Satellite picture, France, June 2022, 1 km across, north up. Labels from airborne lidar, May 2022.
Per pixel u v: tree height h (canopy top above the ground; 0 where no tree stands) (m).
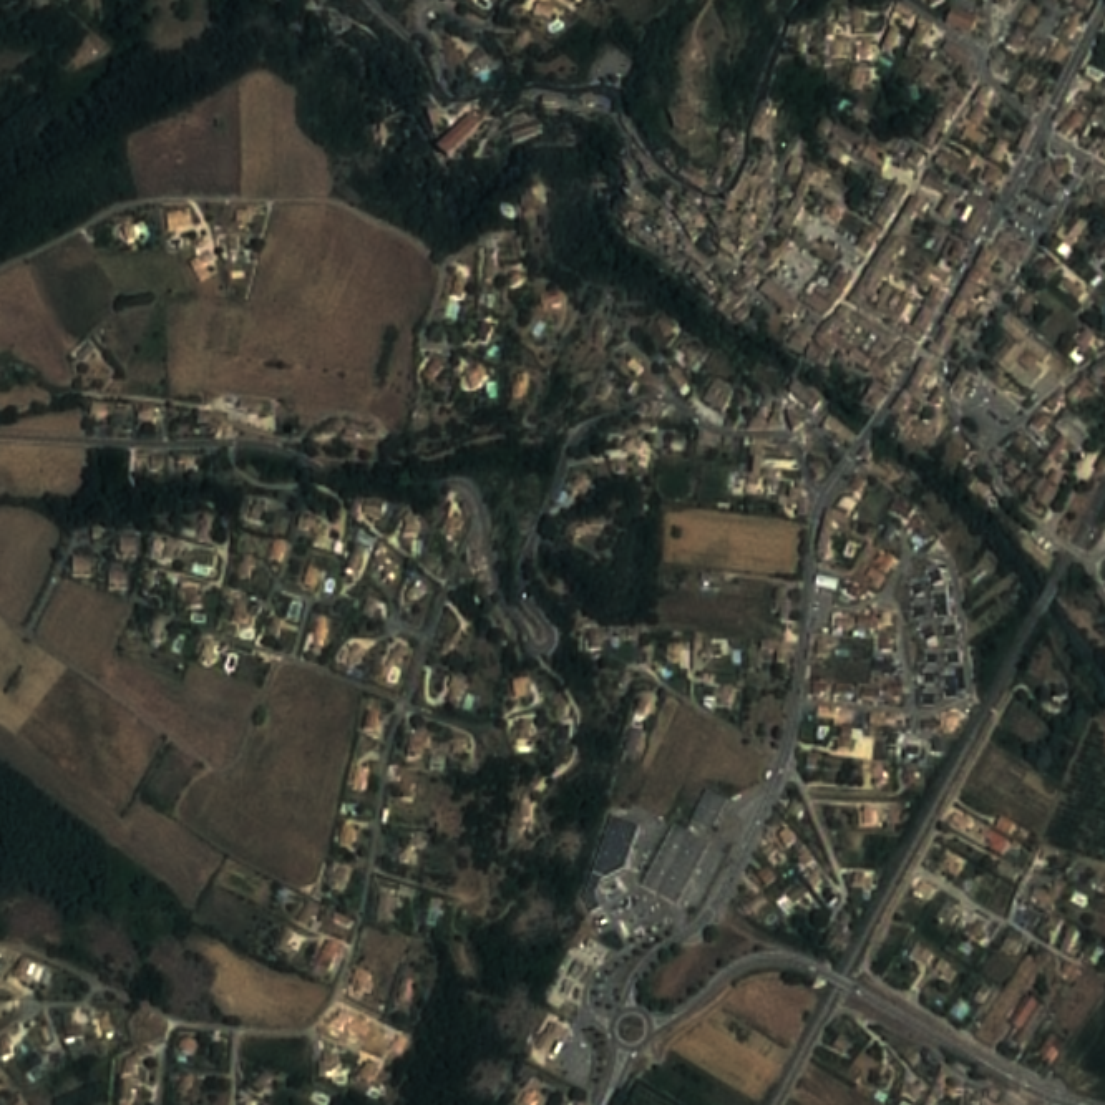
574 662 18
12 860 21
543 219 9
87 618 0
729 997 0
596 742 13
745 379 7
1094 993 0
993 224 0
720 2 8
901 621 0
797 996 0
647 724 11
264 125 0
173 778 0
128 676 0
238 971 0
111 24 7
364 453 10
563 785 7
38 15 17
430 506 12
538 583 15
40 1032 0
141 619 9
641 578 11
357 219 0
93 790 0
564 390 7
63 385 0
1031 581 12
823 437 0
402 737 9
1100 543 0
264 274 0
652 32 7
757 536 0
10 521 0
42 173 12
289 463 7
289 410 0
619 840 0
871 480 6
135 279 0
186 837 0
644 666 0
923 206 0
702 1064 0
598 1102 0
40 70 11
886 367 0
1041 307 12
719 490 0
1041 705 6
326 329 0
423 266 0
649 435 8
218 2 6
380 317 0
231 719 0
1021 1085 0
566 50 10
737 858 0
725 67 9
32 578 0
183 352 0
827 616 0
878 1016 0
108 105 15
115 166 8
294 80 7
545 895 6
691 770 0
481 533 0
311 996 0
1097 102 7
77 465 0
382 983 0
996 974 0
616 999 6
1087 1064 0
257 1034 0
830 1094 0
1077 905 0
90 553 8
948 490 9
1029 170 0
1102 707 7
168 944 0
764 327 12
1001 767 0
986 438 0
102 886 17
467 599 15
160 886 7
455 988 17
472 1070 9
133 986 8
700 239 6
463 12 13
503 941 15
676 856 0
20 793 18
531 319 10
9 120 18
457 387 7
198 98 9
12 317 0
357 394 0
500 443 10
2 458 0
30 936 0
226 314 0
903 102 7
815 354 0
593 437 9
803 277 0
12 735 0
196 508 11
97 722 0
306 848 0
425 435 7
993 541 14
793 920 9
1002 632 6
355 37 11
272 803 0
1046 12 6
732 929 0
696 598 0
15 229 14
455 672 12
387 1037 0
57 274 0
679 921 0
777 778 0
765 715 0
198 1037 8
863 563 0
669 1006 13
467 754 7
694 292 17
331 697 0
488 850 6
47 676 0
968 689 0
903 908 0
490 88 6
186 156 0
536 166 8
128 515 15
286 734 0
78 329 0
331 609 9
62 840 19
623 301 8
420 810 0
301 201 0
